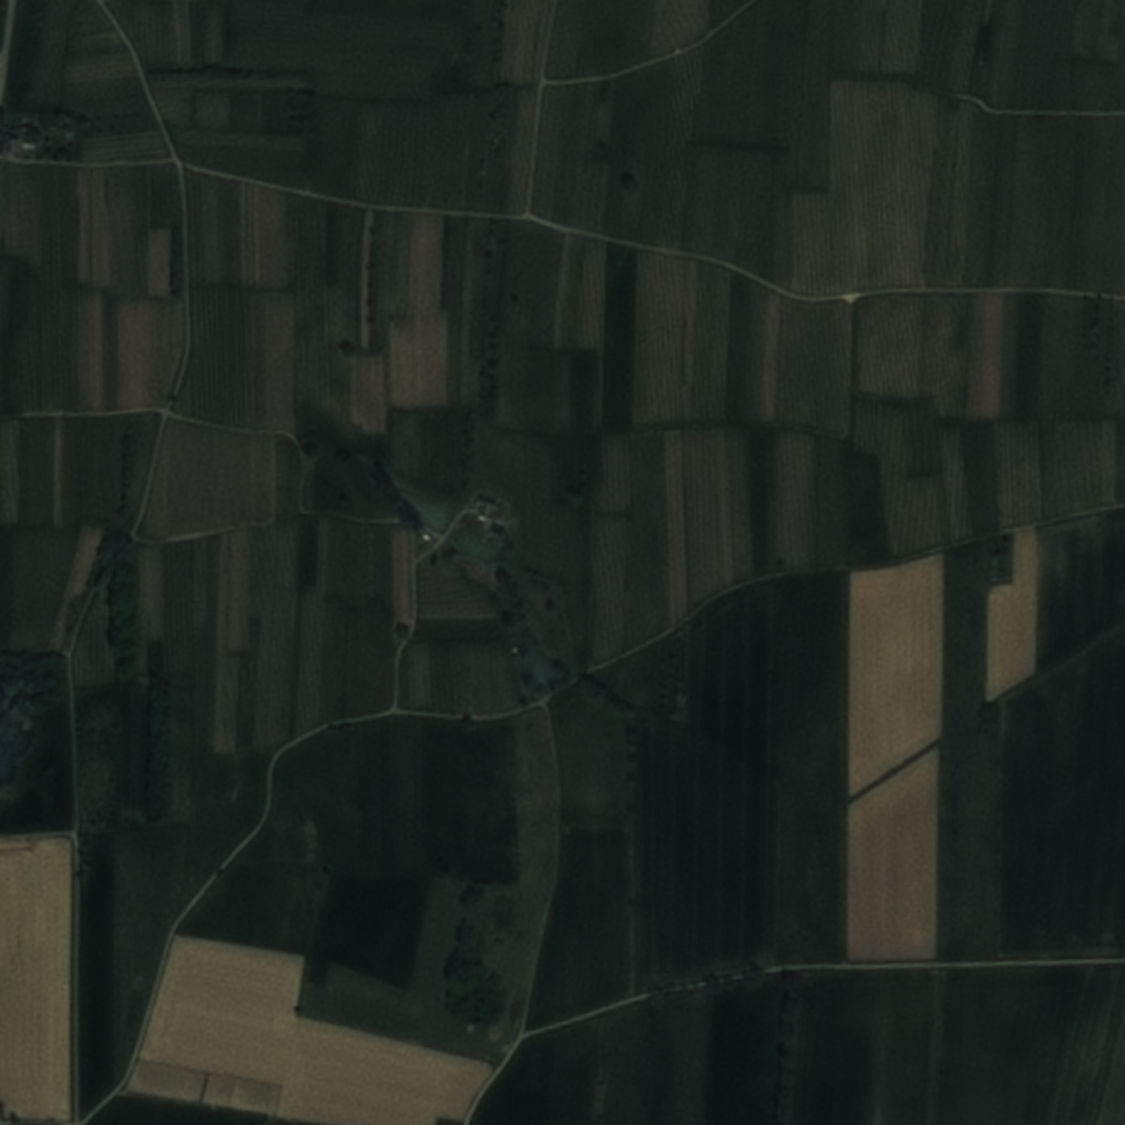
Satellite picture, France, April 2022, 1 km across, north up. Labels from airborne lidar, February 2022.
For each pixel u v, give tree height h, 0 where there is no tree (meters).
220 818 0
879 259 0
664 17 0
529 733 0
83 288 0
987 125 0
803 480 0
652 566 0
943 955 0
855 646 0
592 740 0
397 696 0
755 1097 0
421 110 0
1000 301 0
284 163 0
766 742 0
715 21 0
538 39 0
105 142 0
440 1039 0
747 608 0
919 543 0
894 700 0
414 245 0
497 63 5
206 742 0
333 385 0
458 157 0
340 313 0
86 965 0
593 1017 0
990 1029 0
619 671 0
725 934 0
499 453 0
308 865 0
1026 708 0
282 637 0
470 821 0
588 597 0
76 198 0
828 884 0
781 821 0
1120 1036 0
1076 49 0
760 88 0
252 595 0
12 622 0
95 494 0
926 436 0
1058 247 0
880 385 0
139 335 0
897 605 0
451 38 0
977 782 0
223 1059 0
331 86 0
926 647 0
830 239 0
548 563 0
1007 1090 0
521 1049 0
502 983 0
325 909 0
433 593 0
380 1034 0
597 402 0
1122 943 0
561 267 0
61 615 0
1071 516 0
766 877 0
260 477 0
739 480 0
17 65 0
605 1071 0
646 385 0
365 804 0
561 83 0
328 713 0
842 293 0
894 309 0
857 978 0
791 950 0
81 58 0
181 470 0
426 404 0
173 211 0
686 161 0
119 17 0
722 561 0
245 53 0
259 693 0
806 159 0
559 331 0
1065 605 0
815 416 0
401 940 0
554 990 0
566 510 0
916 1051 0
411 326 0
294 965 0
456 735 0
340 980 0
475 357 0
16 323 0
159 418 0
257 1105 0
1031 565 0
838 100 0
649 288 0
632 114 0
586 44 0
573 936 0
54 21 0
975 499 0
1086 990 0
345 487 0
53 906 0
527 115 0
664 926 0
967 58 0
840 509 0
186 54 0
